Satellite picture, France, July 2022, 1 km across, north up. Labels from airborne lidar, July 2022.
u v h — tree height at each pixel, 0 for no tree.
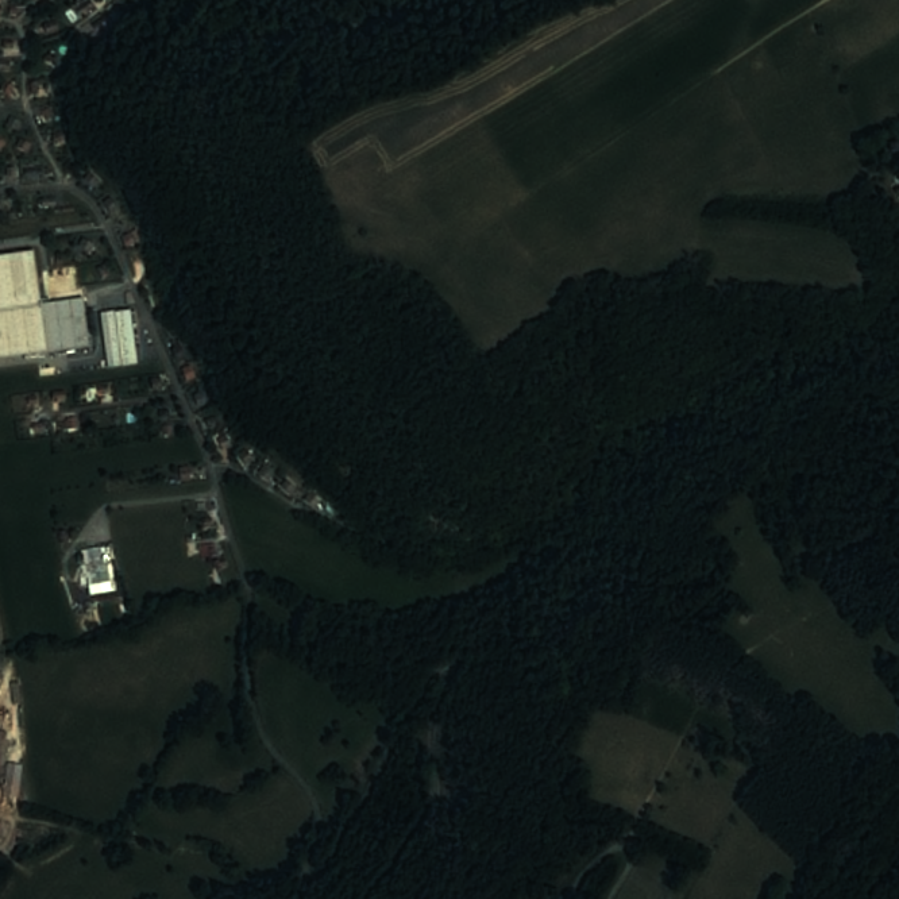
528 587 28
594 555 27
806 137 0
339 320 17
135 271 0
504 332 0
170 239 19
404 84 21
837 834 23
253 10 26
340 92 27
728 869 0
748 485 24
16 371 0
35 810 10
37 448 0
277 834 0
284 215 15
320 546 0
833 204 18
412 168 0
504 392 20
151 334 0
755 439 35
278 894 26
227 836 0
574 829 29
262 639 20
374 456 18
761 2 0
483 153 0
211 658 0
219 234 19
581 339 30
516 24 16
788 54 0
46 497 0
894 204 15
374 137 0
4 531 0
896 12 0
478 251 0
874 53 0
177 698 0
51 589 0
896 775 35
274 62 21
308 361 18
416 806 8
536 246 0
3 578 0
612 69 0
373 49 25
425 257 0
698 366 17
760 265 0
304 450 14
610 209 0
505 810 27
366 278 23
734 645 19
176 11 18
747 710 23
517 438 20
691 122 0
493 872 29
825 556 25
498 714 21
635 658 18
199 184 15
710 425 26
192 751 0
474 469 12
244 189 19
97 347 0
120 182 15
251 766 0
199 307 26
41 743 0
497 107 0
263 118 12
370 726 0
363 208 0
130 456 0
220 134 18
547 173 0
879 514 24
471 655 18
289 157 17
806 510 31
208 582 0
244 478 13
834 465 27
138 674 0
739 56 0
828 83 0
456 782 28
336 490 17
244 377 11
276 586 17
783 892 14
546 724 25
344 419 15
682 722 0
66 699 0
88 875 0
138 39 17
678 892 22
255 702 13
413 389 20
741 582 0
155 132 25
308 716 0
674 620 8
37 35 16
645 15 0
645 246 0
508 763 27
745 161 0
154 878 0
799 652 0
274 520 0
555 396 28
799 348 22
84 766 0
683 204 0
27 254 0
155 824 0
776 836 20
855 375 26
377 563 20
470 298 0
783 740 21
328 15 33
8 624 0
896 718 0
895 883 29
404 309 22
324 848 25
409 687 25
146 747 0
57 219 0
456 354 23
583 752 0
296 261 16
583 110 0
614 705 24
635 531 18
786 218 7
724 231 0
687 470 26
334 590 0
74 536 10
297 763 0
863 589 32
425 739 0
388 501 14
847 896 30
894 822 20
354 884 22
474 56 25
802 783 18
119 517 0
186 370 0
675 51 0
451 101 0
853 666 0
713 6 0
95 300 0
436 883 24
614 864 6
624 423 29
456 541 18
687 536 16
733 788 0
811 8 0
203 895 18
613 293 22
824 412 22
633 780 0
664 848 13
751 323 29
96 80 25
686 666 20
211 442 6
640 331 21
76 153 20
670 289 15
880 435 27
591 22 0
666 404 14
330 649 24
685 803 0
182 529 0
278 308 15
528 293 0
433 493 22
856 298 15
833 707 0
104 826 8
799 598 0
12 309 0
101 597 0
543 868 27
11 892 0
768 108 0
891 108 0
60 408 0
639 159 0
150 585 0
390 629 23
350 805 19
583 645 29
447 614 22
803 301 30
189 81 25
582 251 0
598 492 25
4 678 0
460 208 0
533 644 17
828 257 0
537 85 0
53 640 17
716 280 0
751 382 32
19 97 0
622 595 26
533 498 20
